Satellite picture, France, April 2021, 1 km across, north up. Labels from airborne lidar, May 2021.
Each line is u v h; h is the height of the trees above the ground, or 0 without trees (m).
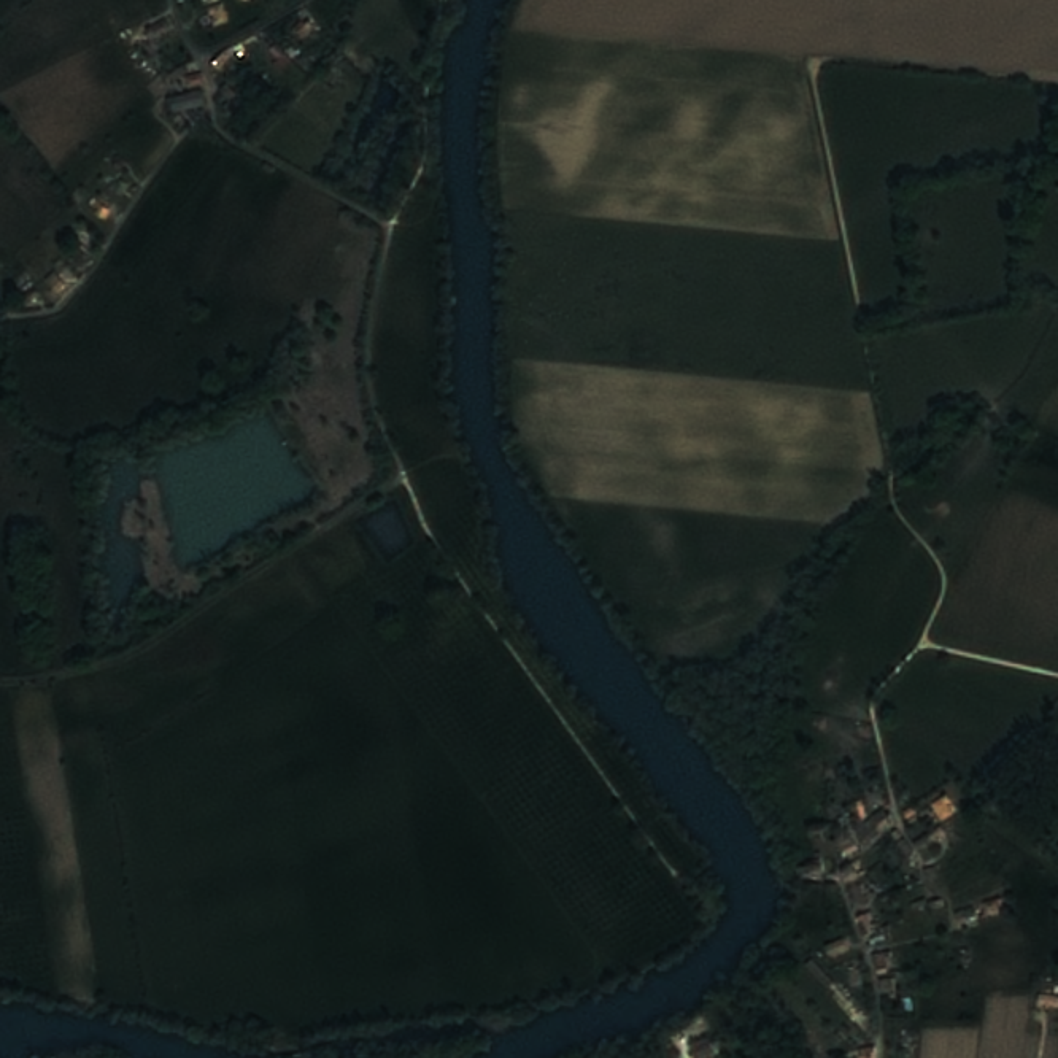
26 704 0
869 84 0
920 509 0
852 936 6
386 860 0
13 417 16
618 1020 0
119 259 0
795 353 0
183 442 7
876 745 0
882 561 0
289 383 13
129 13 0
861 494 0
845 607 0
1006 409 0
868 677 0
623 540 0
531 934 0
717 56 0
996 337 0
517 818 8
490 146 13
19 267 0
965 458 0
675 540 0
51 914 0
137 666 0
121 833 0
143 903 0
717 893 13
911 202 14
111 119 0
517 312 0
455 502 0
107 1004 11
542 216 0
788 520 0
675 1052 6
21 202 0
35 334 0
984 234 0
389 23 0
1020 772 30
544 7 0
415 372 0
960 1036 0
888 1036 0
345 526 0
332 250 0
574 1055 18
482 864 0
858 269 0
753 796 17
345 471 0
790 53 0
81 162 0
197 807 0
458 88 0
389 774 0
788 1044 18
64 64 0
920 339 0
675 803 0
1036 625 0
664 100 0
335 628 0
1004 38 0
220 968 0
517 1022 11
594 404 0
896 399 0
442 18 8
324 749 0
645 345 0
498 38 11
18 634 9
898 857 6
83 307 0
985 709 0
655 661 14
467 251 0
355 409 0
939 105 0
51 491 0
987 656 0
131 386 0
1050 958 0
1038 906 0
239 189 0
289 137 0
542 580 0
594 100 0
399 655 8
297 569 0
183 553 0
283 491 0
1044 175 20
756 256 0
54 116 0
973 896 0
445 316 14
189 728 0
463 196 0
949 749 0
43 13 0
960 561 0
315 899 0
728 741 22
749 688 15
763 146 0
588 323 0
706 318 0
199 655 0
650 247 0
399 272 0
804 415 0
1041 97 15
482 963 0
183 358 0
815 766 0
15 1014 0
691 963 0
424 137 17
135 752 0
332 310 9
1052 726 19
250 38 0
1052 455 0
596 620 0
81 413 0
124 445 14
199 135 13
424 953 0
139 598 12
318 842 0
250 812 0
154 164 0
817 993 0
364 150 15
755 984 21
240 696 0
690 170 0
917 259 15
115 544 0
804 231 0
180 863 0
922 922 0
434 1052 29
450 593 21
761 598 0
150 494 0
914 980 11
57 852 0
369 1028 15
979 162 13
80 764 0
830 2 0
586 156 0
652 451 0
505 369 17
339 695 0
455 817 0
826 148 0
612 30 0
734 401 0
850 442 0
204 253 0
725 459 0
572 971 0
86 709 0
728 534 0
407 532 0
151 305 0
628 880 11
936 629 0
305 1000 0
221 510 0
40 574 22
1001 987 0
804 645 15
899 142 0
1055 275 0
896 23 0
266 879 0
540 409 0
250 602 0
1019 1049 0
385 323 0
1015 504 0
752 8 0
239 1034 10
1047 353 0
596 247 0
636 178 0
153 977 0
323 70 11
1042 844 12
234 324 0
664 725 0
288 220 0
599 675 0
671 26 0
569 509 0
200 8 11
